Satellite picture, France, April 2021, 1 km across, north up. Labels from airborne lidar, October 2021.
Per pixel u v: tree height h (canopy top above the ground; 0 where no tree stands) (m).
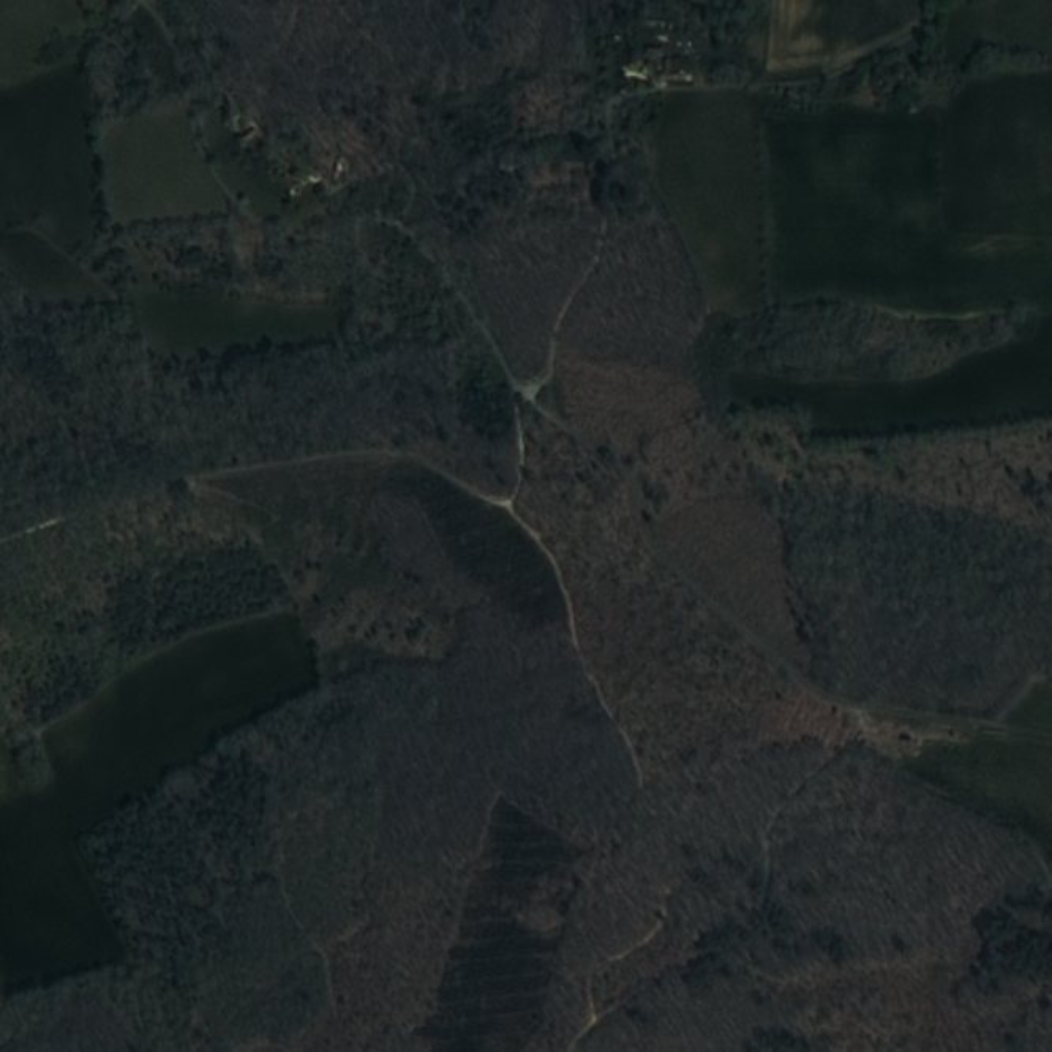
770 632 6
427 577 10
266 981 12
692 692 16
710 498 20
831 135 0
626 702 18
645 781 7
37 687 9
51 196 0
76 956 0
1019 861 17
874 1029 16
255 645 0
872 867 19
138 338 7
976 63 12
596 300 12
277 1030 14
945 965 13
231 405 15
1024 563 19
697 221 0
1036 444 0
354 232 24
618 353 11
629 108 7
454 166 16
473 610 10
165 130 0
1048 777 0
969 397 0
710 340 18
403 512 13
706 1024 17
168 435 15
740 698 19
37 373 18
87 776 0
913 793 15
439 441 12
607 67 8
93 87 21
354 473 0
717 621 8
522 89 11
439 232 16
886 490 0
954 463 0
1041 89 0
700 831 15
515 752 13
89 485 18
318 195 10
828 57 0
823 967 17
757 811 16
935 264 0
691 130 0
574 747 12
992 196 0
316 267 15
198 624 13
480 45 18
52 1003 17
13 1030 16
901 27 0
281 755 10
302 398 16
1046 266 0
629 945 12
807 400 0
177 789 16
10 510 19
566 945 14
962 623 21
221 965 10
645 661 12
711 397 11
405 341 9
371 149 14
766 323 7
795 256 0
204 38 19
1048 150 0
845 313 13
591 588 16
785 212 0
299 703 16
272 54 18
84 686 17
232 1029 11
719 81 17
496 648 14
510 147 11
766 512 6
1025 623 17
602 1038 9
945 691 17
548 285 12
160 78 6
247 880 8
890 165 0
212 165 11
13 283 9
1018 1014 8
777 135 0
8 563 17
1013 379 0
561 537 17
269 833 7
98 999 10
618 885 13
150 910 12
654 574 6
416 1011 7
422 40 13
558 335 7
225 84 21
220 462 9
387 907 6
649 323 12
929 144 0
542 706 14
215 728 0
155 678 0
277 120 15
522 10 20
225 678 0
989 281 0
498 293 12
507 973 7
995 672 16
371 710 13
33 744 17
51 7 0
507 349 10
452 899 8
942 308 0
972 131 0
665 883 9
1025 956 20
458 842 11
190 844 11
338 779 8
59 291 0
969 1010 19
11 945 0
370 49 10
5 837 0
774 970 18
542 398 7
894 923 17
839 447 0
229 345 0
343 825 12
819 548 21
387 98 11
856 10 0
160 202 0
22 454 6
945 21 11
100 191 12
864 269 0
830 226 0
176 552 11
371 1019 5
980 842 17
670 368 13
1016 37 0
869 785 19
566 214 8
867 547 23
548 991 10
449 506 6
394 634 15
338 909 14
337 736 10
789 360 20
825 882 20
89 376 11
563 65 16
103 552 13
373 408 20
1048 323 0
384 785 10
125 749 0
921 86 14
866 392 0
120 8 17
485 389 9
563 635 11
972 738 0
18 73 0
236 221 7
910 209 0
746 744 17
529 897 12
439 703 11
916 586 21
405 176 11
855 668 17
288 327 0
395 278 9
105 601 14
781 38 0
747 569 6
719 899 15
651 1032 15
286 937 13
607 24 16
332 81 13
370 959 6
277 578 15
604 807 12
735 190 0
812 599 10
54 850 0
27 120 0
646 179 7
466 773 14
